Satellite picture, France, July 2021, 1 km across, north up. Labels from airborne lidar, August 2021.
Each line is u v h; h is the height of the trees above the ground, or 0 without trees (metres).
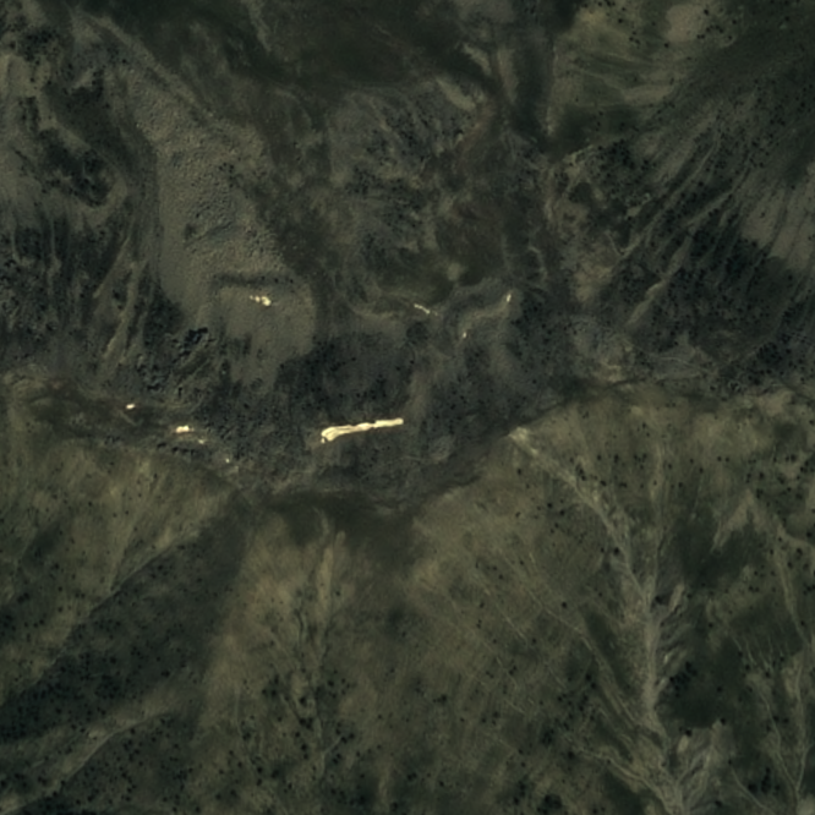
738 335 0
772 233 0
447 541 0
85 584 0
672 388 0
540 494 0
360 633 0
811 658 0
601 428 0
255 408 0
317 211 0
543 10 0
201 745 0
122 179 0
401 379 0
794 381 0
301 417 0
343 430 0
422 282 0
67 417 0
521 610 0
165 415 0
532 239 0
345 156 0
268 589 0
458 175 0
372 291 0
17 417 0
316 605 0
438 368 0
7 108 0
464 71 0
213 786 0
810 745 0
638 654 0
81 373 0
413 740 0
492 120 0
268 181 0
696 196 8
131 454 0
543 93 0
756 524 0
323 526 0
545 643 0
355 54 0
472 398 0
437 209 0
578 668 0
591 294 0
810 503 0
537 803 0
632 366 0
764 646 0
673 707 0
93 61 0
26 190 0
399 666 0
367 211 0
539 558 0
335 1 0
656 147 0
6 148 0
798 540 0
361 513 0
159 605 0
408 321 0
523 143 0
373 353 0
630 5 0
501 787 0
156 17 0
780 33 0
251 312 0
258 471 0
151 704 0
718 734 0
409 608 0
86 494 0
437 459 0
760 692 0
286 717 0
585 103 0
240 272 0
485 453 0
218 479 0
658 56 0
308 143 0
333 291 0
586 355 0
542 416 0
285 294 0
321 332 0
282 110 0
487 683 0
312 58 0
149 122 0
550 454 0
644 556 0
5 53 0
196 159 0
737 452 0
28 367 0
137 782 0
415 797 0
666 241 0
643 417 0
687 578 0
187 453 0
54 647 0
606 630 0
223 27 0
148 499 0
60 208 0
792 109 0
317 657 0
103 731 0
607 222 0
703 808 0
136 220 0
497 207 0
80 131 0
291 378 0
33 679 0
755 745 0
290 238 0
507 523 0
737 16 0
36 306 0
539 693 0
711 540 0
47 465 0
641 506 0
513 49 0
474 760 0
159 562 0
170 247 0
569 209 0
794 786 0
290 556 0
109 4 0
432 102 0
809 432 0
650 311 0
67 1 0
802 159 0
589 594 0
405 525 0
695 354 0
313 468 0
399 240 0
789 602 0
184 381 0
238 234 0
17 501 0
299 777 0
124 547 0
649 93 0
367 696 0
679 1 0
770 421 0
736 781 0
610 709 0
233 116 0
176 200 0
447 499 0
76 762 0
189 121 0
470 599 0
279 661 0
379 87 0
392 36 0
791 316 11
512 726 0
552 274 0
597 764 0
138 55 0
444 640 0
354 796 0
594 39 0
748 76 0
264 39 0
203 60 0
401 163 0
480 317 0
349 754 0
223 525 0
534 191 0
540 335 0
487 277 0
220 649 0
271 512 0
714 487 0
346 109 0
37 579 0
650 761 0
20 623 0
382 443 0
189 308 0
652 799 0
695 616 0
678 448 0
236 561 0
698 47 0
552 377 0
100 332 0
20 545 0
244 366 0
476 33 0
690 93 0
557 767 0
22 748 0
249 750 0
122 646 0
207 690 0
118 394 0
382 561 0
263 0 0
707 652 0
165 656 0
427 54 0
